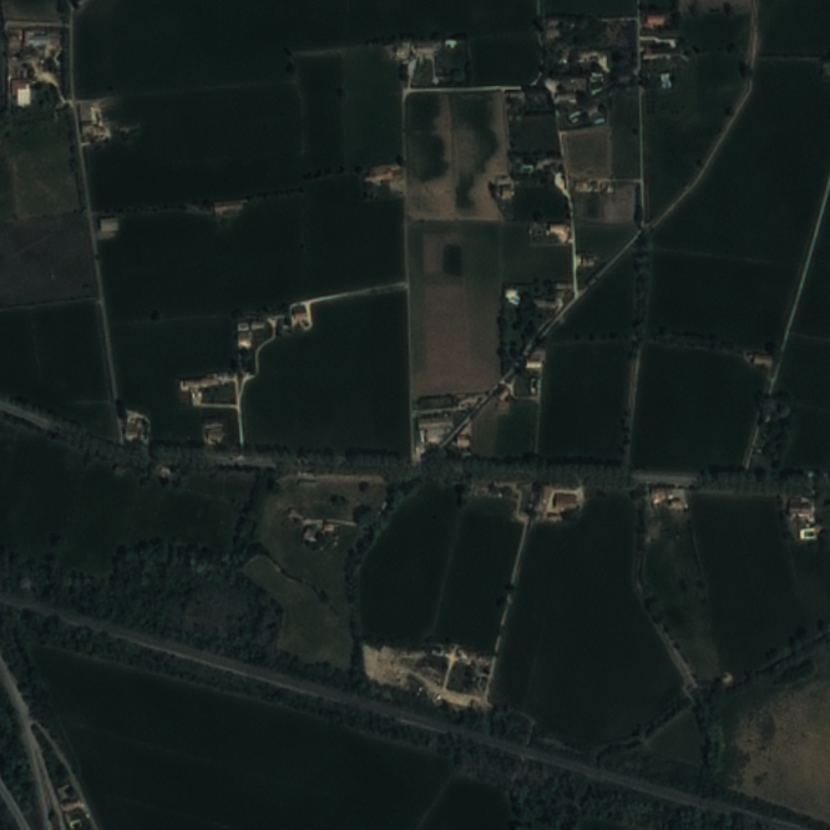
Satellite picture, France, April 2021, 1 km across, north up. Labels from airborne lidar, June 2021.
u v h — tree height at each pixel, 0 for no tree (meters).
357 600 11
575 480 22
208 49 0
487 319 0
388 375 0
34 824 0
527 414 0
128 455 22
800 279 0
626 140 0
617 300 0
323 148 0
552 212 0
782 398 14
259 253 0
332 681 11
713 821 8
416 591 0
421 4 0
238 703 0
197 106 0
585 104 14
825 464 0
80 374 0
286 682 0
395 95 0
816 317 0
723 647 0
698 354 0
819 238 0
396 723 12
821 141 0
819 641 9
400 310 0
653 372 0
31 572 11
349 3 0
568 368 0
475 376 0
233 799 0
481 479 22
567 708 0
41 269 0
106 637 14
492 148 0
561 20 8
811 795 0
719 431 0
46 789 0
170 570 13
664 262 0
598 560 0
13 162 0
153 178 0
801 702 0
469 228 0
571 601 0
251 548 6
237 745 0
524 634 0
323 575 0
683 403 0
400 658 0
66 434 23
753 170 0
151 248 0
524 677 0
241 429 0
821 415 0
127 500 0
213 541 0
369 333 0
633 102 0
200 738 0
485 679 6
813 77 0
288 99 0
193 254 0
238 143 0
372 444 0
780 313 0
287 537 0
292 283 0
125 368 0
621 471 22
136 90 0
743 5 0
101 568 0
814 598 0
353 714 13
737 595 0
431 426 0
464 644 6
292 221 0
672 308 0
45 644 13
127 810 0
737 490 25
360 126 0
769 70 0
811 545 10
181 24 0
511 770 22
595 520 0
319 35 0
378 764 0
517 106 18
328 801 0
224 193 0
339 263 0
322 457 18
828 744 0
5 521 0
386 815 0
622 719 0
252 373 15
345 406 0
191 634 10
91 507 0
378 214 0
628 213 0
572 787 14
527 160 8
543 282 6
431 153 0
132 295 0
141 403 0
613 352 0
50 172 0
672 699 0
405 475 22
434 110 0
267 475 9
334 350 0
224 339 0
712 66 0
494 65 0
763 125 0
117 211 6
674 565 0
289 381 0
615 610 0
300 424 0
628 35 6
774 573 0
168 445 14
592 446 0
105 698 0
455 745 21
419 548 0
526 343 8
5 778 9
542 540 0
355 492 0
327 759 0
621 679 0
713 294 0
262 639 25
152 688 0
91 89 0
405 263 0
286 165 0
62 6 12
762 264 0
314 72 0
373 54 0
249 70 0
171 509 0
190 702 0
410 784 0
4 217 0
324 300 0
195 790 0
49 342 0
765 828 16
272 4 0
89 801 0
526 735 11
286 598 0
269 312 11
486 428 0
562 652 0
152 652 5
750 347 0
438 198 0
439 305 0
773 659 9
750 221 0
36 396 0
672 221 0
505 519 0
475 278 0
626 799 7
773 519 0
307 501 0
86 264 0
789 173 0
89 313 0
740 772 0
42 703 14
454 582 0
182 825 0
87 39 0
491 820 0
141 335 0
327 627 0
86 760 0
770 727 0
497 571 0
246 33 0
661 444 0
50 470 0
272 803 0
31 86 5
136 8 0
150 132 0
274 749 0
